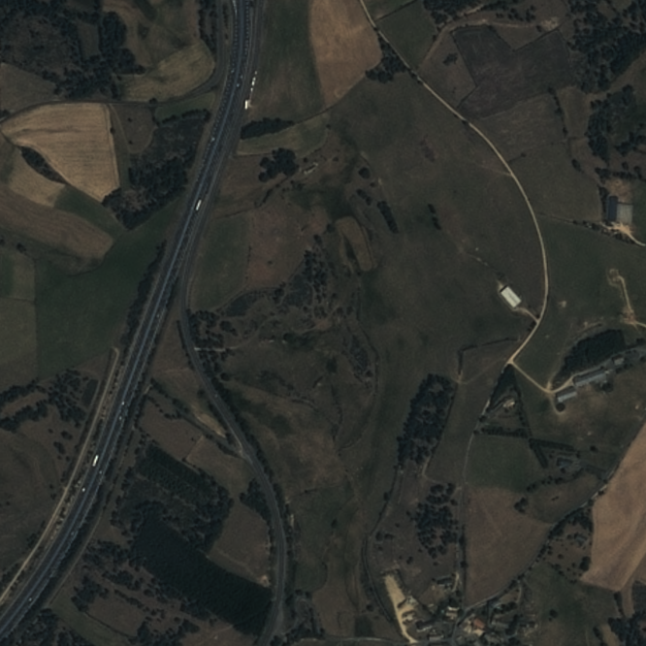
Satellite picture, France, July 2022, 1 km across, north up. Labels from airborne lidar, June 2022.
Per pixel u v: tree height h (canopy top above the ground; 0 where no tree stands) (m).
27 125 0
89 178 0
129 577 15
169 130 0
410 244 0
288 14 0
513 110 0
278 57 0
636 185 0
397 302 0
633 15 20
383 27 0
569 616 0
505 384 16
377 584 0
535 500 0
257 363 0
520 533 0
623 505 0
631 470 0
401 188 0
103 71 20
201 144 0
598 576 0
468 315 0
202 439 0
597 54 16
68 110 0
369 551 0
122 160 0
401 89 0
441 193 0
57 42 0
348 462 0
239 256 0
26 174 0
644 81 0
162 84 0
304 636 9
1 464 0
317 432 0
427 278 0
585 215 0
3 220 0
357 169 0
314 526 0
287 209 0
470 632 0
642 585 0
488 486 0
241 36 0
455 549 0
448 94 0
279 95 0
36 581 0
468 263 0
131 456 0
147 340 0
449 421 0
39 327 0
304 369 0
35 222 0
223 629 0
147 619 10
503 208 0
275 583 0
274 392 0
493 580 0
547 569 0
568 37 0
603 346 13
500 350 0
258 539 0
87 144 0
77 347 0
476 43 0
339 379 0
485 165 0
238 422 12
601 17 18
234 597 12
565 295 0
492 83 0
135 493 0
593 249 0
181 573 12
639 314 0
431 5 13
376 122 0
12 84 0
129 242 0
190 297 0
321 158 0
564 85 0
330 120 0
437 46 0
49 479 0
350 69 0
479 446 0
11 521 0
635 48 21
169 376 0
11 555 0
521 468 0
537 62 0
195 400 0
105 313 0
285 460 0
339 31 0
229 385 0
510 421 0
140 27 0
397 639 0
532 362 0
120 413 0
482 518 0
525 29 0
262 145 0
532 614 0
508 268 0
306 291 0
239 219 0
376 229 0
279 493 9
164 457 7
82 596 15
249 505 11
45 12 16
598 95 0
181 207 0
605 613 0
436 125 0
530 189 0
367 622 0
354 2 0
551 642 0
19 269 0
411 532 0
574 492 0
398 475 0
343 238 0
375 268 0
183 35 0
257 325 0
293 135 0
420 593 0
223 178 0
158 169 7
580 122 0
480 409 0
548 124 0
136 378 0
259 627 8
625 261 0
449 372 0
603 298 0
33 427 0
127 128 0
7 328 0
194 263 0
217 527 21
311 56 0
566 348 0
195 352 0
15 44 0
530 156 0
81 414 13
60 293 0
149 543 12
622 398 0
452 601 12
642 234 0
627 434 0
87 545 0
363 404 0
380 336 0
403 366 0
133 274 0
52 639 17
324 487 0
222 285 0
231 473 0
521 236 0
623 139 0
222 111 0
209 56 0
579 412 0
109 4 0
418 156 0
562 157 0
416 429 14
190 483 6
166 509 14
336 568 0
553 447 7
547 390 0
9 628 0
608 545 0
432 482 0
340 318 0
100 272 0
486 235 0
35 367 0
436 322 0
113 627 0
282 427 0
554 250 0
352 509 0
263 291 0
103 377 0
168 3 0
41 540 0
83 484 0
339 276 0
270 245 0
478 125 0
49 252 0
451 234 0
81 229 0
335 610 0
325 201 0
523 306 0
